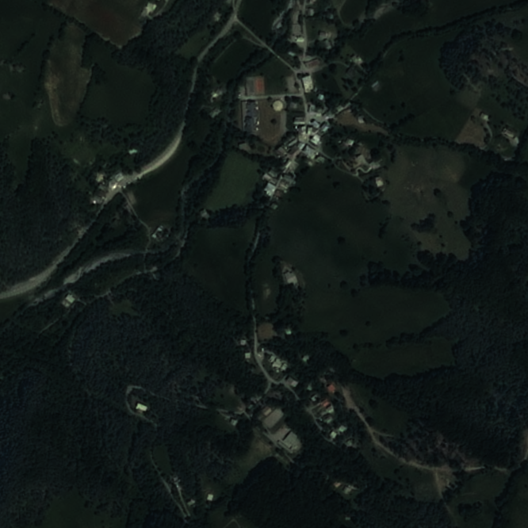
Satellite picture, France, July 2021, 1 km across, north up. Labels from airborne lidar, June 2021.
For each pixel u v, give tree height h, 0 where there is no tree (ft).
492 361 73
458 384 106
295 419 50
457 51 65
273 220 0
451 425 100
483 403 64
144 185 0
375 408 39
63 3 0
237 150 30
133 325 52
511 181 77
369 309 0
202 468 48
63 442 71
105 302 56
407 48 0
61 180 26
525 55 0
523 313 48
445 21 0
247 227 0
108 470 62
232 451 75
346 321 0
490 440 96
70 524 0
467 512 42
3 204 50
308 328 0
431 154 0
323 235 0
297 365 39
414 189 0
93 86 36
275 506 92
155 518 82
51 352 40
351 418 45
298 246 0
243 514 43
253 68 41
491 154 72
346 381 54
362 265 0
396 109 39
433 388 89
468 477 38
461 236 0
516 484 41
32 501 40
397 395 118
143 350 47
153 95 25
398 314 0
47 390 46
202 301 45
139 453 54
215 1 52
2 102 0
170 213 0
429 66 0
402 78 0
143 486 49
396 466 0
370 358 0
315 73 0
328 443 34
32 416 49
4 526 49
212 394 32
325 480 54
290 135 34
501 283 76
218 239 0
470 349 70
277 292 0
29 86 0
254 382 50
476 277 92
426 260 68
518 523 0
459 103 0
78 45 0
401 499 59
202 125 0
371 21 35
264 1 0
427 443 103
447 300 31
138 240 22
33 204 43
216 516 0
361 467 87
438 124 0
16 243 36
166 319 37
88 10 0
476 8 0
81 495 25
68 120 0
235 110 40
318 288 0
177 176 0
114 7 0
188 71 73
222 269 0
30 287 0
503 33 51
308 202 0
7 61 31
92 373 37
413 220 0
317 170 0
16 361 34
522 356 86
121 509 37
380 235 22
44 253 48
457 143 33
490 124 29
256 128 0
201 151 37
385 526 76
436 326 54
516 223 61
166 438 49
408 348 0
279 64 0
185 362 59
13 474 46
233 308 21
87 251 40
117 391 54
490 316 67
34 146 38
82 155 0
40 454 65
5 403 43
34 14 0
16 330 35
